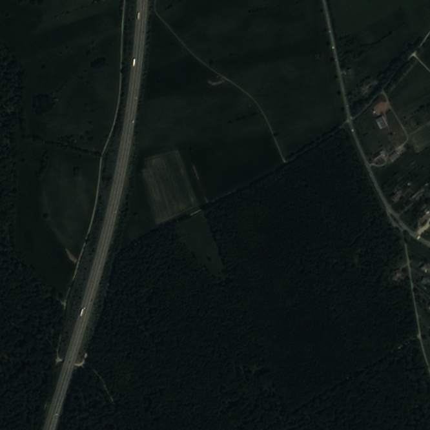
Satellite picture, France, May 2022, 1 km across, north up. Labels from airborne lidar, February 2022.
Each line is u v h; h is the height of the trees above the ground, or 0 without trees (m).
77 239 0
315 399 24
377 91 15
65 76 0
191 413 23
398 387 29
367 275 15
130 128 0
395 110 0
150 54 0
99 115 0
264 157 0
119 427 27
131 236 0
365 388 26
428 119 0
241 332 19
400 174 0
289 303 13
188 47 0
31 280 26
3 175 29
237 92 0
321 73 0
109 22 0
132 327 25
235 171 0
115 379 27
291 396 18
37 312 26
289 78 0
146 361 25
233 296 20
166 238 24
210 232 0
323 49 0
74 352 0
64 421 12
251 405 20
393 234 19
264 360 20
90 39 0
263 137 0
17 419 30
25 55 0
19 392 27
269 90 0
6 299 26
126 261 19
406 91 0
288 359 16
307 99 0
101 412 27
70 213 0
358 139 0
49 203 0
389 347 13
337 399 24
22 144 0
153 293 20
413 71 0
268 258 17
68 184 0
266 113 0
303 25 0
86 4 0
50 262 0
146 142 0
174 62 0
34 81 0
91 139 10
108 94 0
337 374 15
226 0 0
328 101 0
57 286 0
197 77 0
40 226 0
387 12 0
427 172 0
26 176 0
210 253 0
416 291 11
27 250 0
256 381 19
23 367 29
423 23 0
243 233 20
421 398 28
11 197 21
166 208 0
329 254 13
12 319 20
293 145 0
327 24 0
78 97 0
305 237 14
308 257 14
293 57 0
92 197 0
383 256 19
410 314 12
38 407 18
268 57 0
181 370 24
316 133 0
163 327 23
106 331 25
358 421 24
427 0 0
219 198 0
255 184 11
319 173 12
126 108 0
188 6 0
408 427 31
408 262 0
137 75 0
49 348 31
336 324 13
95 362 22
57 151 0
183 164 0
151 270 28
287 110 0
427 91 0
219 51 0
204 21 0
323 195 13
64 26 0
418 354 24
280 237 17
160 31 0
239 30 0
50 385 15
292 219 16
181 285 25
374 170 0
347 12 0
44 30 0
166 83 0
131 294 26
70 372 0
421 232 0
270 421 20
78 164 0
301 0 0
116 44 0
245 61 0
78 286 0
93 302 0
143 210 0
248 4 0
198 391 24
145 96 0
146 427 22
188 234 0
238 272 17
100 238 0
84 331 0
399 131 0
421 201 7
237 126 0
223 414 23
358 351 16
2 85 31
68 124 0
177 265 28
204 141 0
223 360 16
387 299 16
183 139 0
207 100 0
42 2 14
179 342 22
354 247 13
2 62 30
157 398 25
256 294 20
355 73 0
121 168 0
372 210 14
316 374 14
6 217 25
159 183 0
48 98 13
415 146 0
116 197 0
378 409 28
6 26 0
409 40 0
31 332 16
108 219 0
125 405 25
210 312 21
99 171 0
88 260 0
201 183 0
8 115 29
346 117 0
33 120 0
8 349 29
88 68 0
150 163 0
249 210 20
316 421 26
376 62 0
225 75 0
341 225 13
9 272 29
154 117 0
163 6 0
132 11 0
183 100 0
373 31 0
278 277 18
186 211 0
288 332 18
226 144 0
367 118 0
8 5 0
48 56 0
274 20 0
